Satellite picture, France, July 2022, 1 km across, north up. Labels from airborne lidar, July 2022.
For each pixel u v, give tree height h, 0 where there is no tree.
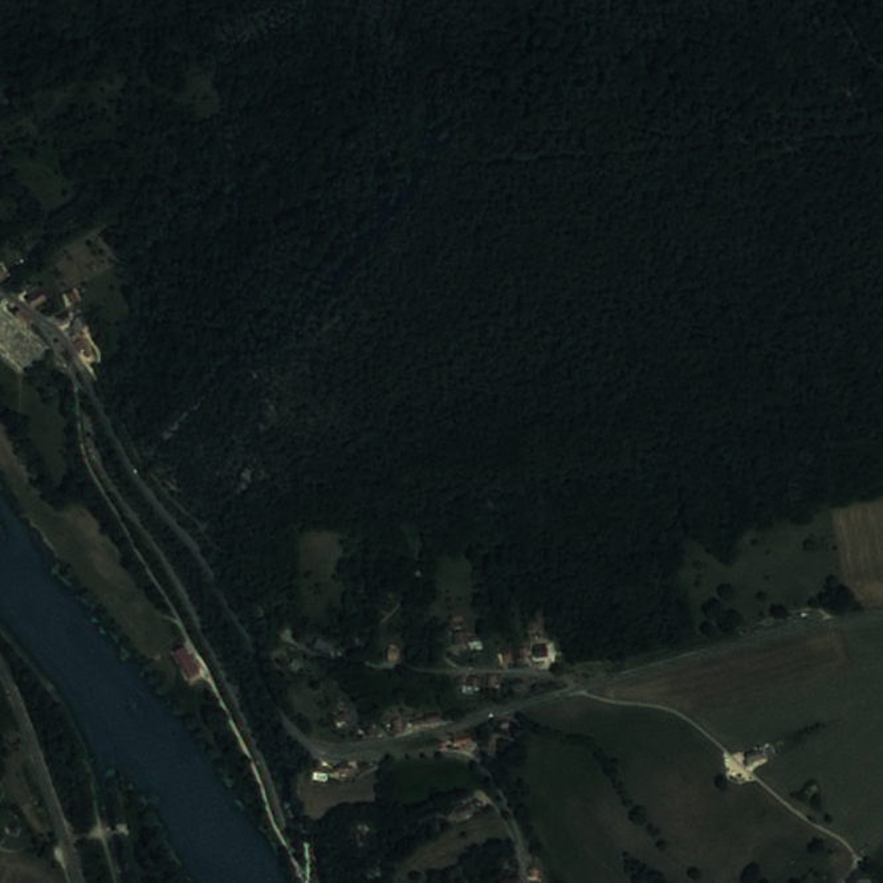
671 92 8
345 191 16
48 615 0
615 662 12
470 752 0
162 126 9
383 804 19
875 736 0
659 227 17
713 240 18
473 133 17
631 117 21
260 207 29
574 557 10
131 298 25
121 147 8
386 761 8
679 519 10
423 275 12
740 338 18
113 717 0
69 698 0
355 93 20
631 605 14
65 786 11
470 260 15
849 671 0
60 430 0
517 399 13
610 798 0
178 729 0
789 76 19
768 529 21
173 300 29
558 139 15
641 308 11
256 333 14
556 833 0
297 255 33
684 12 16
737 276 20
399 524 19
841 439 18
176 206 25
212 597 11
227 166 24
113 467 6
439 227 12
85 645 0
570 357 15
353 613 9
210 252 26
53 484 17
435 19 16
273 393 9
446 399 15
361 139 26
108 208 26
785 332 20
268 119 26
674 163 17
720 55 20
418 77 25
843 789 0
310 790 0
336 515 16
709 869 0
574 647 14
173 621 0
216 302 19
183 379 14
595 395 14
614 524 22
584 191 15
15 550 0
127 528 7
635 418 20
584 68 22
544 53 25
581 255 16
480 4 19
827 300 19
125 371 22
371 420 14
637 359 15
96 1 9
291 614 11
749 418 19
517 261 18
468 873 9
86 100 0
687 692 0
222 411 11
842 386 15
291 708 13
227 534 14
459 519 21
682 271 18
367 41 19
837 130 16
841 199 17
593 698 0
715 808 0
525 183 13
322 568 0
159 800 0
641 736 0
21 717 0
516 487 16
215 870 0
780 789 0
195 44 15
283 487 13
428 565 12
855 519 0
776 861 0
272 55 21
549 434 17
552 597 7
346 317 11
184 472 9
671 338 15
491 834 0
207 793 0
